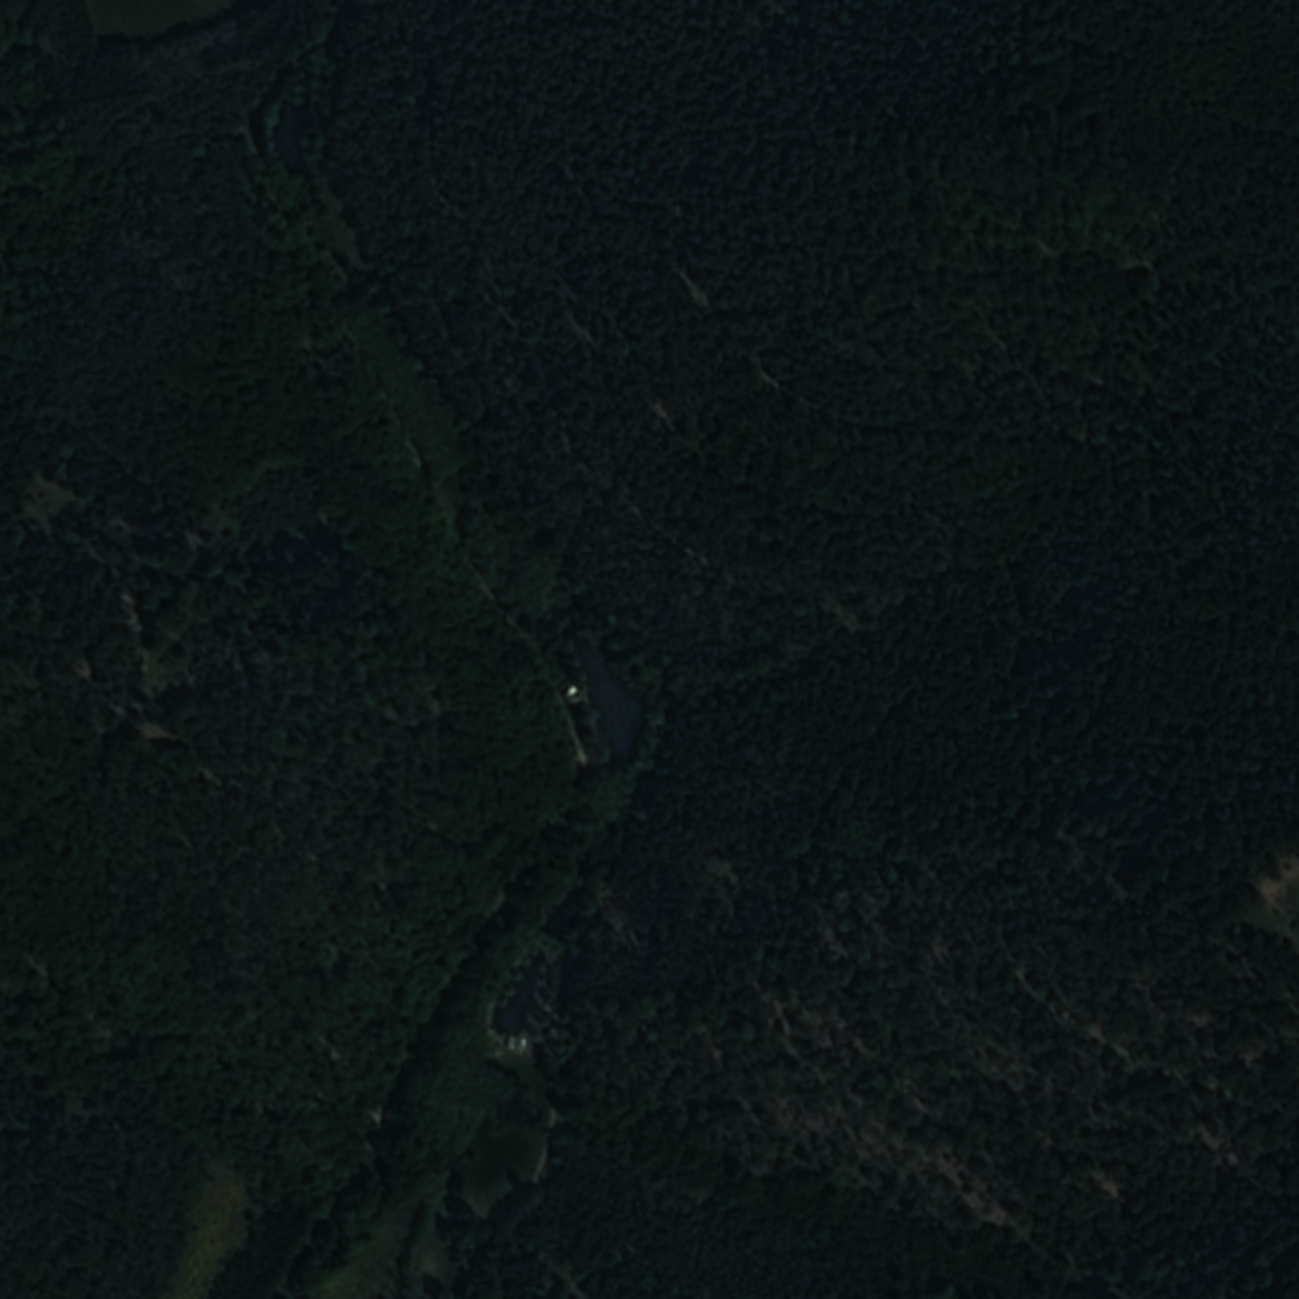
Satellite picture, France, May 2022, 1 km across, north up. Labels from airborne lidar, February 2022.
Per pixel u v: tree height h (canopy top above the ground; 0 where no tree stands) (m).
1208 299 17
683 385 31
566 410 31
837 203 30
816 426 24
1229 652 24
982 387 22
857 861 28
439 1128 20
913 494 28
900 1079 32
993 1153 30
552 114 31
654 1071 30
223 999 23
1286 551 15
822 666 25
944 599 28
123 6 0
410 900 25
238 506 8
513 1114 30
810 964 36
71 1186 21
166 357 21
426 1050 22
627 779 15
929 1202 30
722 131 31
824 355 27
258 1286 13
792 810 29
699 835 29
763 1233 19
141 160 21
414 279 31
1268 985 26
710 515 29
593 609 22
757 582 26
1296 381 31
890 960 21
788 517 30
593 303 31
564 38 31
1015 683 25
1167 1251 33
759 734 30
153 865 24
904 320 28
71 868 22
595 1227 18
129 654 9
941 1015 26
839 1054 32
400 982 27
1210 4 22
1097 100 24
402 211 27
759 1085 36
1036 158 21
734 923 24
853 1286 14
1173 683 26
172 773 21
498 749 23
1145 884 15
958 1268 14
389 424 24
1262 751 27
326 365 19
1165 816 30
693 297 27
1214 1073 29
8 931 23
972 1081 26
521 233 33
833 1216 13
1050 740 25
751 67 30
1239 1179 35
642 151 29
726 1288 20
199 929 18
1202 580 14
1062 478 28
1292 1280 20
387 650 31
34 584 31
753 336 32
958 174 15
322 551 47
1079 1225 40
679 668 36
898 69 30
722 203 26
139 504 22
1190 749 25
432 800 29
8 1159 20
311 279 25
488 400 8
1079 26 26
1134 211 27
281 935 22
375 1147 22
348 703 33
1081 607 23
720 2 33
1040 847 33
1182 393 32
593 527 24
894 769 28
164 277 22
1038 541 33
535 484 28
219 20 16
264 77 22
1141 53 22
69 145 29
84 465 27
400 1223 0
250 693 30
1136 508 25
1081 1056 29
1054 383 30
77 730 22
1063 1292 16
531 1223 20
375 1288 0
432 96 29
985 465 28
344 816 30
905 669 29
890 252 27
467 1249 18
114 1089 26
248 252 24
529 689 17
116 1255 21
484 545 21
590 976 26
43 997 32
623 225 31
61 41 21
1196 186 21
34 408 25
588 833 25
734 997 31
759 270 28
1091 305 29
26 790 23
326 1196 17
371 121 28
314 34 23
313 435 20
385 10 30
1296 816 19
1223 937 16
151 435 24
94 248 26
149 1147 27
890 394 30
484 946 27
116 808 21
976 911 27
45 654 9
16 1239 19
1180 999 28
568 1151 19
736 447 28
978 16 29
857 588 31
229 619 26
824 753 26
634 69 32
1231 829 27
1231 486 29
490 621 24
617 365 28
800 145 31
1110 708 26
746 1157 36
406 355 21
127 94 28
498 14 31
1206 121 22
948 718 30
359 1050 23
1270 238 26
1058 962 28
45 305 29
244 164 22
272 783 28
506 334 20
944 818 22
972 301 32
